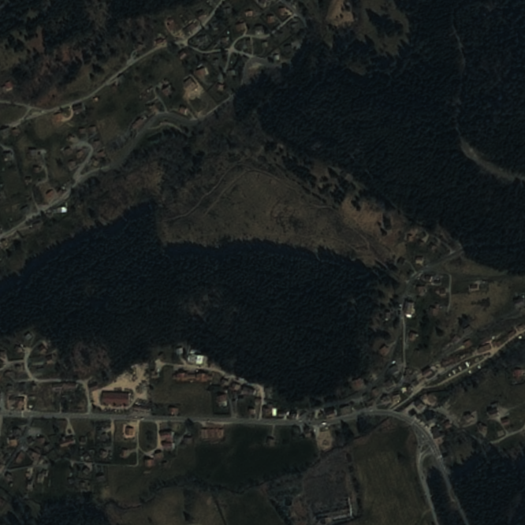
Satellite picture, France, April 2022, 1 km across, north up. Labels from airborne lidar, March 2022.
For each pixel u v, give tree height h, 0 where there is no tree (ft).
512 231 74
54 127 0
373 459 0
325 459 33
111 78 0
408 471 0
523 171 57
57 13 78
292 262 89
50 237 0
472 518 77
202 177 0
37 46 0
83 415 0
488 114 22
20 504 47
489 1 83
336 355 77
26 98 23
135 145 0
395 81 31
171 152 53
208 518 0
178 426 0
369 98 61
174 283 93
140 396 0
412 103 77
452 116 68
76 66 82
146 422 0
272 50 0
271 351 82
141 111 0
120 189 21
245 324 81
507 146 65
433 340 0
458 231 48
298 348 81
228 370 54
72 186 0
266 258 84
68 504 71
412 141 73
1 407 0
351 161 36
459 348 0
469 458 0
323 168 0
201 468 0
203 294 83
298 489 31
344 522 20
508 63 72
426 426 0
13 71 27
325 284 82
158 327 97
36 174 0
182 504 0
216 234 0
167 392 0
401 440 0
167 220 0
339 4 0
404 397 0
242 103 83
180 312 71
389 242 0
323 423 0
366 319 68
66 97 0
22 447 0
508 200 70
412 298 0
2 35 79
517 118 60
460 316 0
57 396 0
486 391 0
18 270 0
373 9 0
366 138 77
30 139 0
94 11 59
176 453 0
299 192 0
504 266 73
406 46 0
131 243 74
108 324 86
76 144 0
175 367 0
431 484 42
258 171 0
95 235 63
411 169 66
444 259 0
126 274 86
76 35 73
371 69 72
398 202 35
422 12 43
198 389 0
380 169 76
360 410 0
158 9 97
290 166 34
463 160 68
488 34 56
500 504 80
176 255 85
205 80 0
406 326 0
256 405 0
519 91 113
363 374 66
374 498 0
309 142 73
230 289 76
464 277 0
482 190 65
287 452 0
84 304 92
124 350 83
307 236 0
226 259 84
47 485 0
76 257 87
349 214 0
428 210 65
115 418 0
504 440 0
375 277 78
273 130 90
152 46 25
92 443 0
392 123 71
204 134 54
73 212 25
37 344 0
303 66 63
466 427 0
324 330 78
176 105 0
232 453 0
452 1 64
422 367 0
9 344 42
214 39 21
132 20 21
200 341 68
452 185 52
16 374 0
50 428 0
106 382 33
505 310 0
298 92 57
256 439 0
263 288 91
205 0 20
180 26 0
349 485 0
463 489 77
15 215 0
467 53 44
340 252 0
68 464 0
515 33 88
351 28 61
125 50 0
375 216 0
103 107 0
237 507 0
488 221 68
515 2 93
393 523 0
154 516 0
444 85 66
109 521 87
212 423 0
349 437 74
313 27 60
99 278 92
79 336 92
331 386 77
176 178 52
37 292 93
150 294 82
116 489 0
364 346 61
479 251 83
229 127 0
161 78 0
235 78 20
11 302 93
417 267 0
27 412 0
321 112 71
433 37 66
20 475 0
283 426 0
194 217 0
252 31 0
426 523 0
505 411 0
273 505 35
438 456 0
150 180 0
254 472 0
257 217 0
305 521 29
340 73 63
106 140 0
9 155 0
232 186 0
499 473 90
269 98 65
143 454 0
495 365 47
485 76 86
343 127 71
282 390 76
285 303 91
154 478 0
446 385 0
